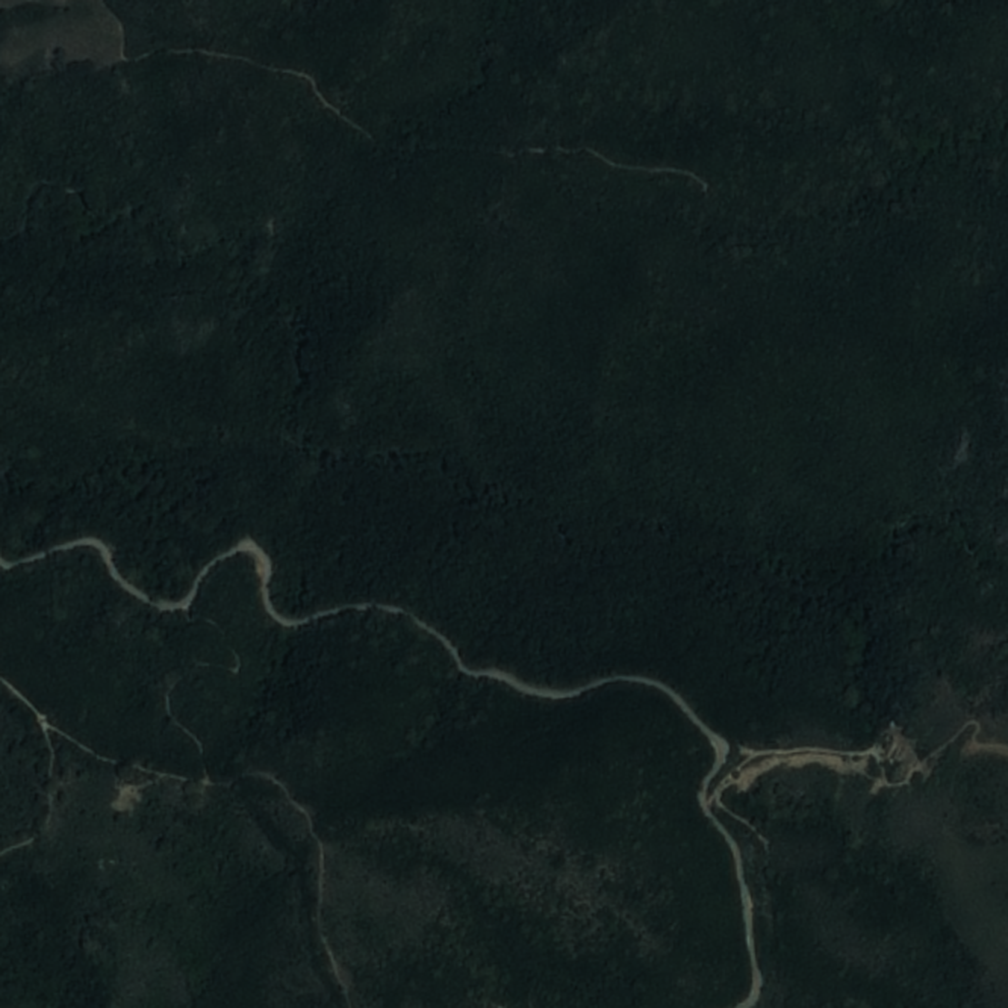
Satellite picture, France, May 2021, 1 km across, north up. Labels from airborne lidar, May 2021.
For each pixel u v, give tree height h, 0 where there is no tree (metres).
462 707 9
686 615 8
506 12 14
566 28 7
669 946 6
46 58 0
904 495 8
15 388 7
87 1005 9
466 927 6
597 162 7
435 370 8
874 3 9
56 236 12
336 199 12
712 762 6
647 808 6
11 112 8
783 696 8
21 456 12
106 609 10
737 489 8
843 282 10
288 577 10
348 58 7
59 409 8
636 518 21
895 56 8
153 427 9
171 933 7
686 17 7
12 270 13
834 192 9
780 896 5
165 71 8
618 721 5
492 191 6
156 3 5
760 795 15
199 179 8
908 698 6
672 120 13
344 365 12
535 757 6
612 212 9
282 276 15
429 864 7
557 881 8
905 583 9
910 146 8
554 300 7
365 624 12
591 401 7
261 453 14
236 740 7
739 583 16
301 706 11
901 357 7
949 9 13
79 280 14
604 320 7
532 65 8
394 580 12
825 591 19
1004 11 7
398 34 8
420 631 12
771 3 9
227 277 17
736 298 8
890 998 7
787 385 7
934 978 7
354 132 6
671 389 7
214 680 7
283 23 12
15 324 10
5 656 6
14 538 10
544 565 20
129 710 10
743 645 9
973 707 7
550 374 6
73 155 9
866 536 20
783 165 10
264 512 10
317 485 17
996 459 6
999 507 11
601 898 7
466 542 20
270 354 15
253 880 6
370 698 7
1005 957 0
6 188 9
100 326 6
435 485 19
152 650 11
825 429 6
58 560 10
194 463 14
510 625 14
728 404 7
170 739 7
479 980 7
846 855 13
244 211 10
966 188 8
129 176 8
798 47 7
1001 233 8
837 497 9
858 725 10
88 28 0
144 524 16
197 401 12
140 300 17
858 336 6
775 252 11
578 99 10
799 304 8
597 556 23
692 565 18
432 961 6
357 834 8
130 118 8
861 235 10
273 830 6
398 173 8
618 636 7
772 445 8
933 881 9
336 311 14
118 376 11
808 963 6
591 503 10
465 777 5
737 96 9
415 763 9
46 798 7
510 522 15
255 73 6
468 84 7
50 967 8
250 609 8
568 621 10
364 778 6
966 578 10
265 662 11
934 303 6
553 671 15
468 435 9
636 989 13
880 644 12
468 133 8
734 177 9
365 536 15
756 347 7
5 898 6
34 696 6
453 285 9
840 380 6
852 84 8
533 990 7
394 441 22
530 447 11
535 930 7
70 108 9
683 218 13
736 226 10
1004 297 9
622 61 6
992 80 10
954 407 6
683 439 7
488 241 6
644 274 6
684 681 7
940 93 10
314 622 11
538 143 7
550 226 6
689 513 15
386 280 7
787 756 0
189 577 12
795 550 16
